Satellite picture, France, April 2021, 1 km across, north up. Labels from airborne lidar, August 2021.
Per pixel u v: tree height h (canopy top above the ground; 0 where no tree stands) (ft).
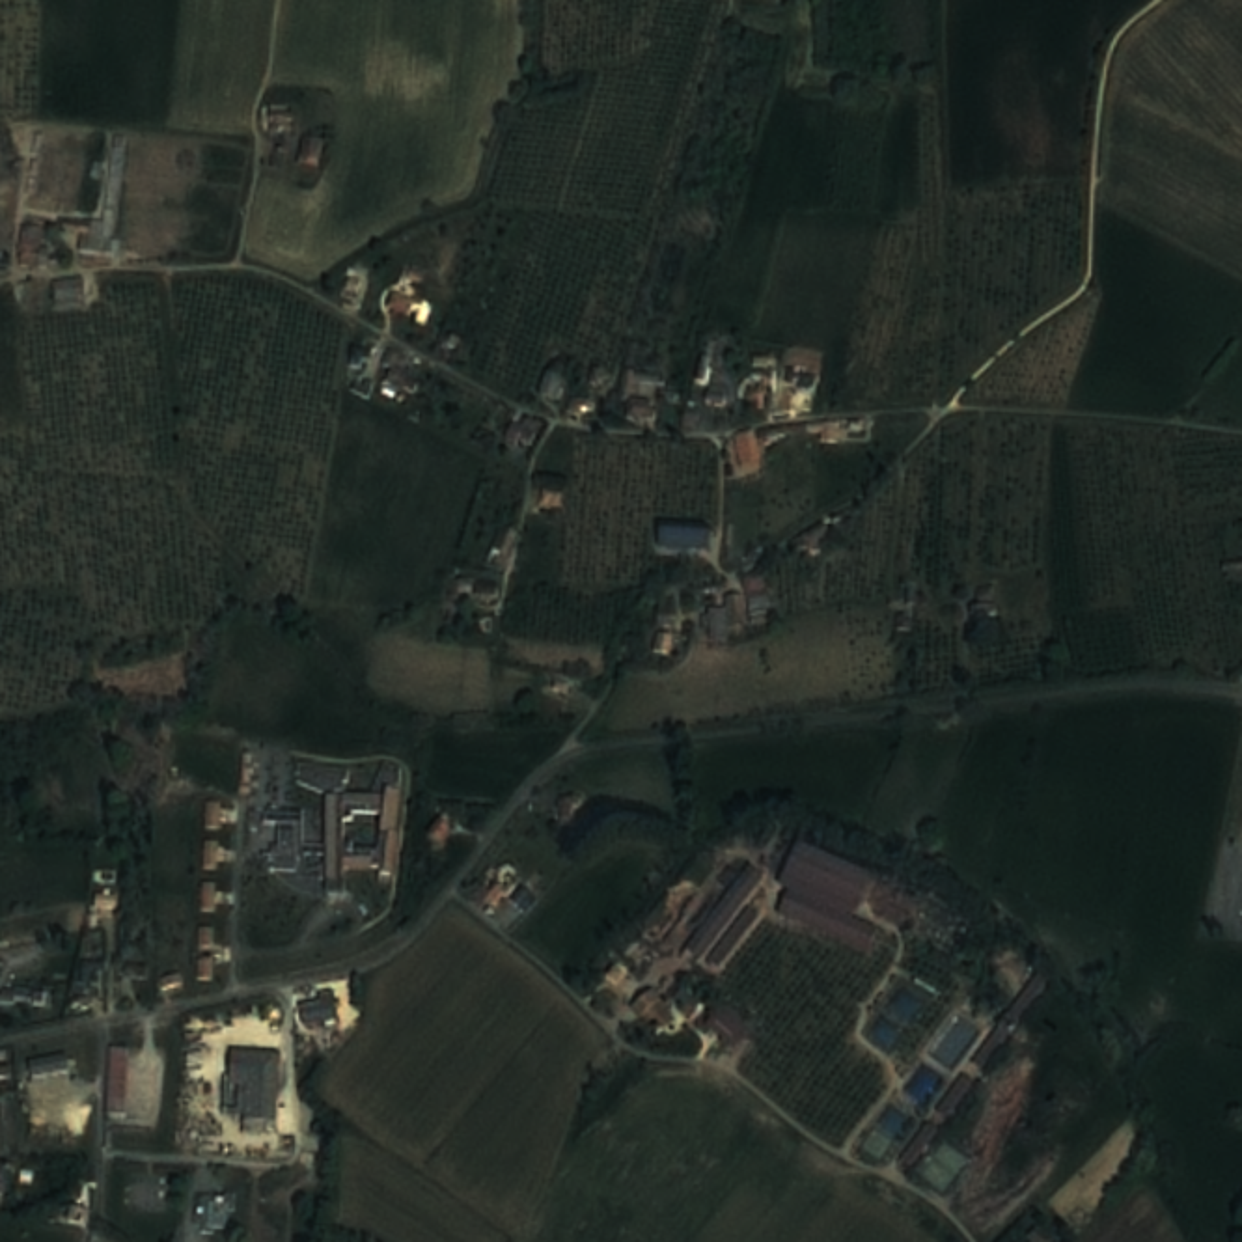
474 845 0
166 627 22
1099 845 0
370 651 0
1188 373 0
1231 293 0
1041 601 0
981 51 0
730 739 0
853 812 0
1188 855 0
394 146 0
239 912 0
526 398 32
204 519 0
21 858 0
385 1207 0
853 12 28
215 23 0
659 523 0
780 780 0
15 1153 26
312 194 0
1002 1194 0
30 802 69
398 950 0
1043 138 0
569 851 20
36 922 0
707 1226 0
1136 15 0
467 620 31
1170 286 0
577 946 0
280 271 0
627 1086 0
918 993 0
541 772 0
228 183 0
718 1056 0
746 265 0
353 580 0
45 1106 0
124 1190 0
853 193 18
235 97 0
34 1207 40
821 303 0
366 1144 0
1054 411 0
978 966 30
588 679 52
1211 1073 0
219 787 0
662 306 43
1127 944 0
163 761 0
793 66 0
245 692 0
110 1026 0
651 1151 0
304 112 0
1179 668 36
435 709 0
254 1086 0
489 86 0
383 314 20
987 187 0
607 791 0
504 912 0
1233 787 0
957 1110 19
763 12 0
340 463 0
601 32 20
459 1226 0
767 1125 0
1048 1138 0
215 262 0
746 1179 0
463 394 51
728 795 0
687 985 29
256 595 0
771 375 0
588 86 37
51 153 0
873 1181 0
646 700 0
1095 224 0
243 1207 0
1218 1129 0
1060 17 0
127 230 0
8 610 18
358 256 0
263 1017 0
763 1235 0
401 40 0
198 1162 0
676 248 40
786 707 38
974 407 0
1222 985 0
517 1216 0
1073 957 0
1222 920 0
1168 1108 0
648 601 54
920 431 0
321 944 0
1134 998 0
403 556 0
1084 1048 0
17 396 0
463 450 0
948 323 0
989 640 63
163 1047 0
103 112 0
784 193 0
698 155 51
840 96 61
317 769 0
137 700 47
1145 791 0
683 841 93
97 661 30
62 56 0
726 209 59
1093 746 0
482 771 0
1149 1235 0
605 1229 0
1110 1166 0
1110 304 0
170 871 0
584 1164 0
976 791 0
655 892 44
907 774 0
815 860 0
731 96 38
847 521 28
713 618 0
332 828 0
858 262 0
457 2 0
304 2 0
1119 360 0
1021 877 0
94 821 0
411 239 0
